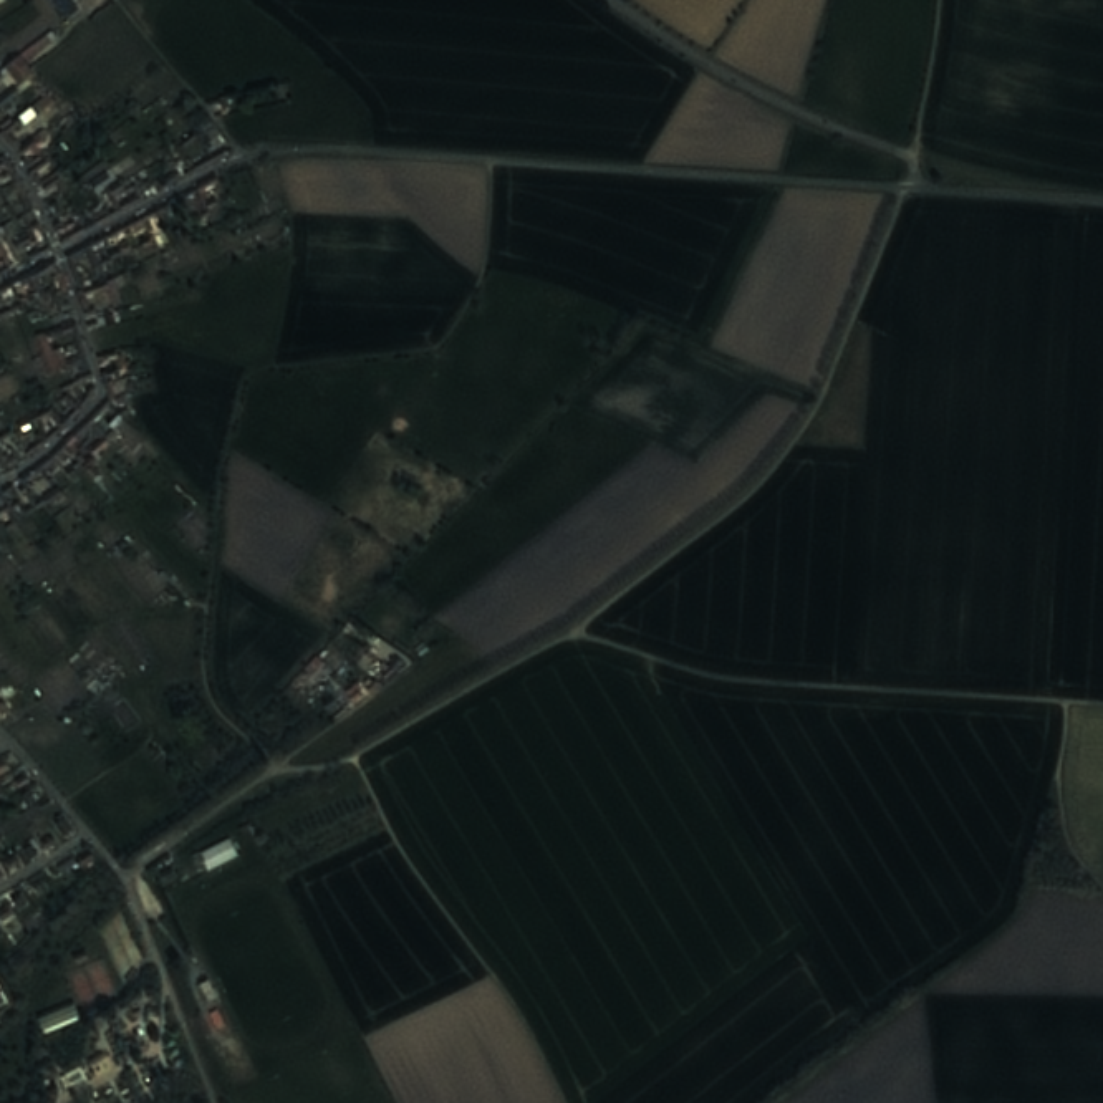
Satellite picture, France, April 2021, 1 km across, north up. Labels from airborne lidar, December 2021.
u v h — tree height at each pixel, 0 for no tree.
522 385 0
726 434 0
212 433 0
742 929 0
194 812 14
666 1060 0
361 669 0
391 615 0
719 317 0
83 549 0
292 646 0
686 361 0
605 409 0
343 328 0
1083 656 0
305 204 0
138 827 0
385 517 0
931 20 0
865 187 0
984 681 0
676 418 0
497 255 0
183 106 11
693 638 0
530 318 0
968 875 0
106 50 0
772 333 0
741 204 0
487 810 0
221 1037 0
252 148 0
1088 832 0
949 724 0
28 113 0
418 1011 0
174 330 0
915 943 0
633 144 0
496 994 0
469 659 0
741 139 0
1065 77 0
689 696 0
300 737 9
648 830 0
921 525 0
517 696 0
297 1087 0
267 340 0
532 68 0
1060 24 0
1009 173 0
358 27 0
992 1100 0
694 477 0
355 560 0
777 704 0
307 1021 0
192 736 23
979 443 0
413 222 0
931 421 0
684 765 0
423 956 0
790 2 0
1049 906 0
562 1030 0
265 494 0
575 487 0
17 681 0
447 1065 0
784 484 0
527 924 0
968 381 0
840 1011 0
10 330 0
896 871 0
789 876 0
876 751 0
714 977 0
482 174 0
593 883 0
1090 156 0
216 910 0
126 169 0
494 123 0
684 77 0
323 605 0
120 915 7
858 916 0
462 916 0
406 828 0
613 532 0
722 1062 0
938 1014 0
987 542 0
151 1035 12
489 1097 0
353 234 0
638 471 0
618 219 0
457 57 0
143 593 0
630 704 0
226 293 0
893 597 0
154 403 0
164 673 0
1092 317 0
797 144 0
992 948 0
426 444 0
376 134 0
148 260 0
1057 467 0
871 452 0
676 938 0
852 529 0
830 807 0
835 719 0
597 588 0
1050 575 0
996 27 0
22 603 6
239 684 0
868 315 0
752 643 0
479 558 0
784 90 0
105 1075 0
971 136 0
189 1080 15
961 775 0
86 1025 18
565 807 0
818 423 0
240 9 0
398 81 0
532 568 0
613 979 0
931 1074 0
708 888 0
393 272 0
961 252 0
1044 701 0
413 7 0
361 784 0
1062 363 0
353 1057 0
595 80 0
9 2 0
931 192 0
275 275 0
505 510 0
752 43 0
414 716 14
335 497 0
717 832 0
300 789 11
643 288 0
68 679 0
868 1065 0
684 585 0
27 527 0
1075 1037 0
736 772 0
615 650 0
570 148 0
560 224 0
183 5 0
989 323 0
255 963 0
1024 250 0
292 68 0
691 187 0
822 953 0
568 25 0
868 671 0
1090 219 0
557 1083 0
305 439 0
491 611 0
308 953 0
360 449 0
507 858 0
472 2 0
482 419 0
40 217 0
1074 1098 0
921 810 0
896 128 0
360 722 0
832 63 0
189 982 0
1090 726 0
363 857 0
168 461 0
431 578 0
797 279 0
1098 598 0
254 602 0
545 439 0
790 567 0
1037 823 10
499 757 0
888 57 0
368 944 0
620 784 0
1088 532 0
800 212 0
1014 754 0
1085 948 0
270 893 0
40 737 0
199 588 0
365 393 0
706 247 0
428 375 0
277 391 0
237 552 0
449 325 0
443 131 0
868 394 0
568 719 0
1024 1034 0
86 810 0
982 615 0
